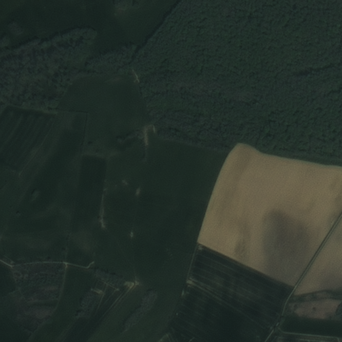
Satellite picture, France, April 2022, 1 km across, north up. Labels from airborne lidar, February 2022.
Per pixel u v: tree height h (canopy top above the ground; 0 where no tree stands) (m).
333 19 30
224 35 28
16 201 0
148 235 0
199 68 27
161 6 0
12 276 0
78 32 23
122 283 14
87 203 0
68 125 0
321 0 29
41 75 26
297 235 0
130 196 0
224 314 0
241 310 0
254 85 23
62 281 8
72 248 0
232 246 0
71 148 0
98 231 0
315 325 0
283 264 0
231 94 32
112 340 0
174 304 0
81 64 0
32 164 0
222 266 0
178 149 0
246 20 28
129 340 0
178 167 0
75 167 0
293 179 0
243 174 0
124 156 0
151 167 0
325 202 0
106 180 0
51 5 0
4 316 0
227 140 25
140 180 0
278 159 0
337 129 25
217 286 0
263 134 27
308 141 26
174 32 20
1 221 0
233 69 28
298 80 30
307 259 0
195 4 22
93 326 0
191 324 0
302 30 27
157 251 0
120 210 0
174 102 24
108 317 0
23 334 0
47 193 0
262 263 0
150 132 0
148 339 0
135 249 0
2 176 0
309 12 31
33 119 0
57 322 0
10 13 0
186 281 0
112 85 0
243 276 0
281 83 31
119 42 0
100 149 0
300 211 0
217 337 0
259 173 0
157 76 23
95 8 0
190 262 0
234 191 0
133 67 20
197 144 20
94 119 0
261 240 0
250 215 0
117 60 18
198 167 0
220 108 24
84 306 20
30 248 0
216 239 0
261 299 0
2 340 0
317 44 26
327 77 25
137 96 0
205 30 24
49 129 0
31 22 0
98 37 0
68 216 0
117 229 0
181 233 0
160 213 0
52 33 0
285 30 29
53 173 0
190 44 25
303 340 0
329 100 30
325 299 0
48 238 0
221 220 0
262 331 0
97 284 0
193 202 0
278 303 0
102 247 0
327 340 0
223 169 0
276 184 0
